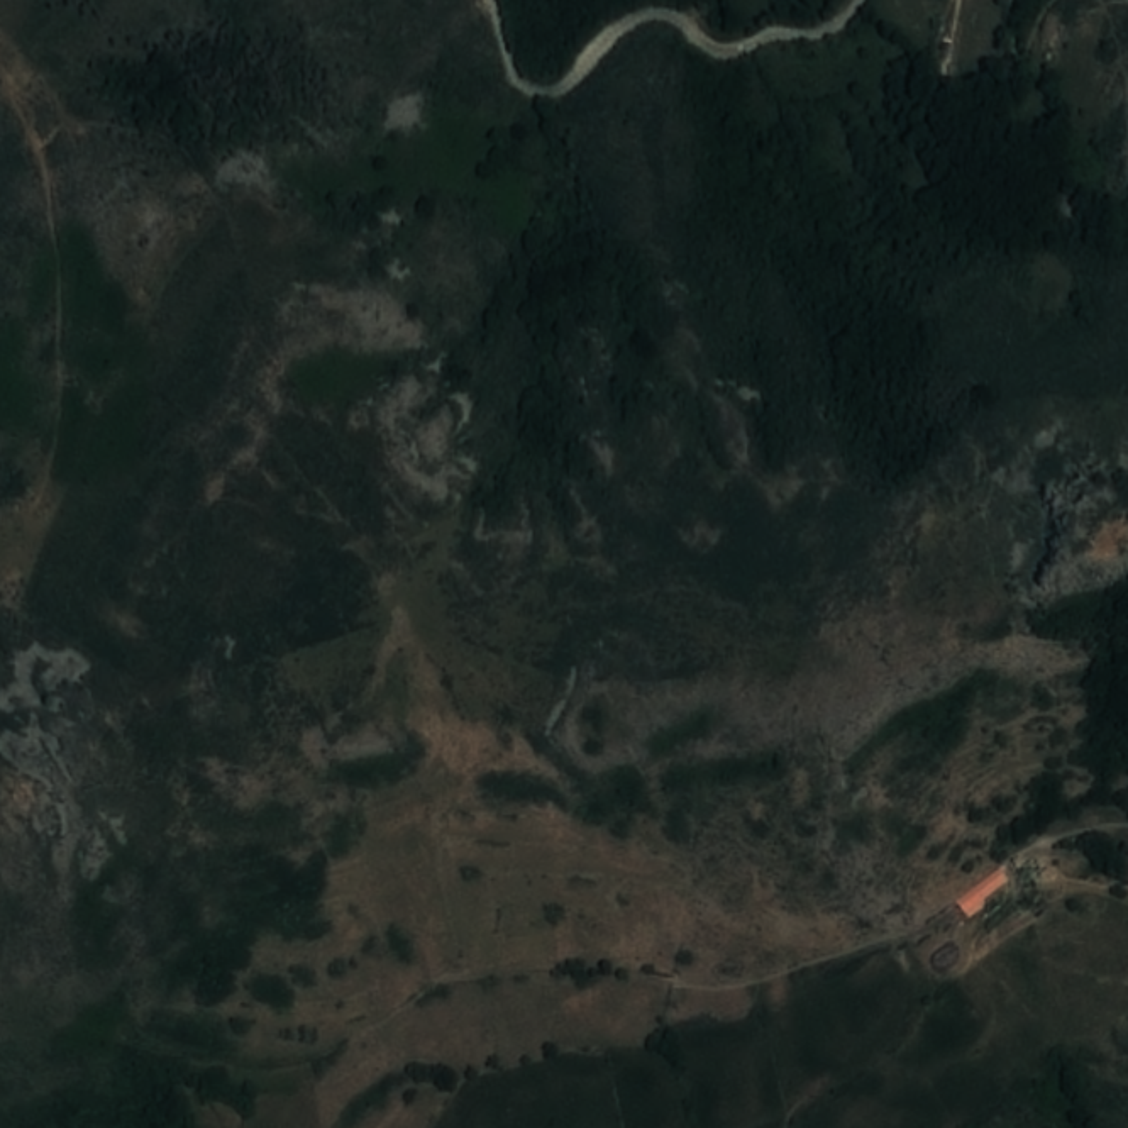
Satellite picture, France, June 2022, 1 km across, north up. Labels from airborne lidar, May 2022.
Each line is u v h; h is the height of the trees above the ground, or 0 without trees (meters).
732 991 0
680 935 0
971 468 0
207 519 0
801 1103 0
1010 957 0
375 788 0
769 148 11
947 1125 0
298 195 6
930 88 24
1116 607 18
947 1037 0
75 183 0
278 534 0
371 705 0
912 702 0
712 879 0
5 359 0
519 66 15
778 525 0
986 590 0
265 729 0
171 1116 12
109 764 0
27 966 0
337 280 0
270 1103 0
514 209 0
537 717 0
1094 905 0
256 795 0
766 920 0
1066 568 0
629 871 0
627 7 14
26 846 0
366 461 0
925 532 0
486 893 0
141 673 0
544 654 0
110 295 0
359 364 0
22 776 0
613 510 0
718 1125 0
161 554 0
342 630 0
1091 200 11
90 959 0
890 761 0
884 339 11
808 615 0
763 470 0
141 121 10
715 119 8
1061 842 7
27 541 0
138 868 0
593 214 10
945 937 0
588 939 0
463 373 10
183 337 0
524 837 0
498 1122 0
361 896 0
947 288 0
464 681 0
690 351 0
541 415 14
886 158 11
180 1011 0
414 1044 0
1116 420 0
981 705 0
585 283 6
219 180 0
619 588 0
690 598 0
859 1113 0
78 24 0
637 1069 0
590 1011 0
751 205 8
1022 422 0
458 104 0
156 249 0
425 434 0
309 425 0
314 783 0
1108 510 0
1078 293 11
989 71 23
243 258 0
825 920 0
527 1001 0
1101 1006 0
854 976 0
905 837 0
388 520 0
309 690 0
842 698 0
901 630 0
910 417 7
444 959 0
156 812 0
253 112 8
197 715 0
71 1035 0
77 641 0
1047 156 21
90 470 0
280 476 0
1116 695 16
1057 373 0
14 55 0
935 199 17
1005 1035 0
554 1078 0
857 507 0
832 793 0
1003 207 20
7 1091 0
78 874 0
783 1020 0
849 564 0
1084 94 0
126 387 0
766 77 7
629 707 0
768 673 0
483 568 0
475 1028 0
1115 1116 0
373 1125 0
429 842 0
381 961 0
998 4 10
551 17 23
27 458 0
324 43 0
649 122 0
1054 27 0
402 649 0
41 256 0
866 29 0
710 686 0
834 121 0
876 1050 0
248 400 0
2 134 0
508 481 8
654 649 0
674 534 0
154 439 0
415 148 0
